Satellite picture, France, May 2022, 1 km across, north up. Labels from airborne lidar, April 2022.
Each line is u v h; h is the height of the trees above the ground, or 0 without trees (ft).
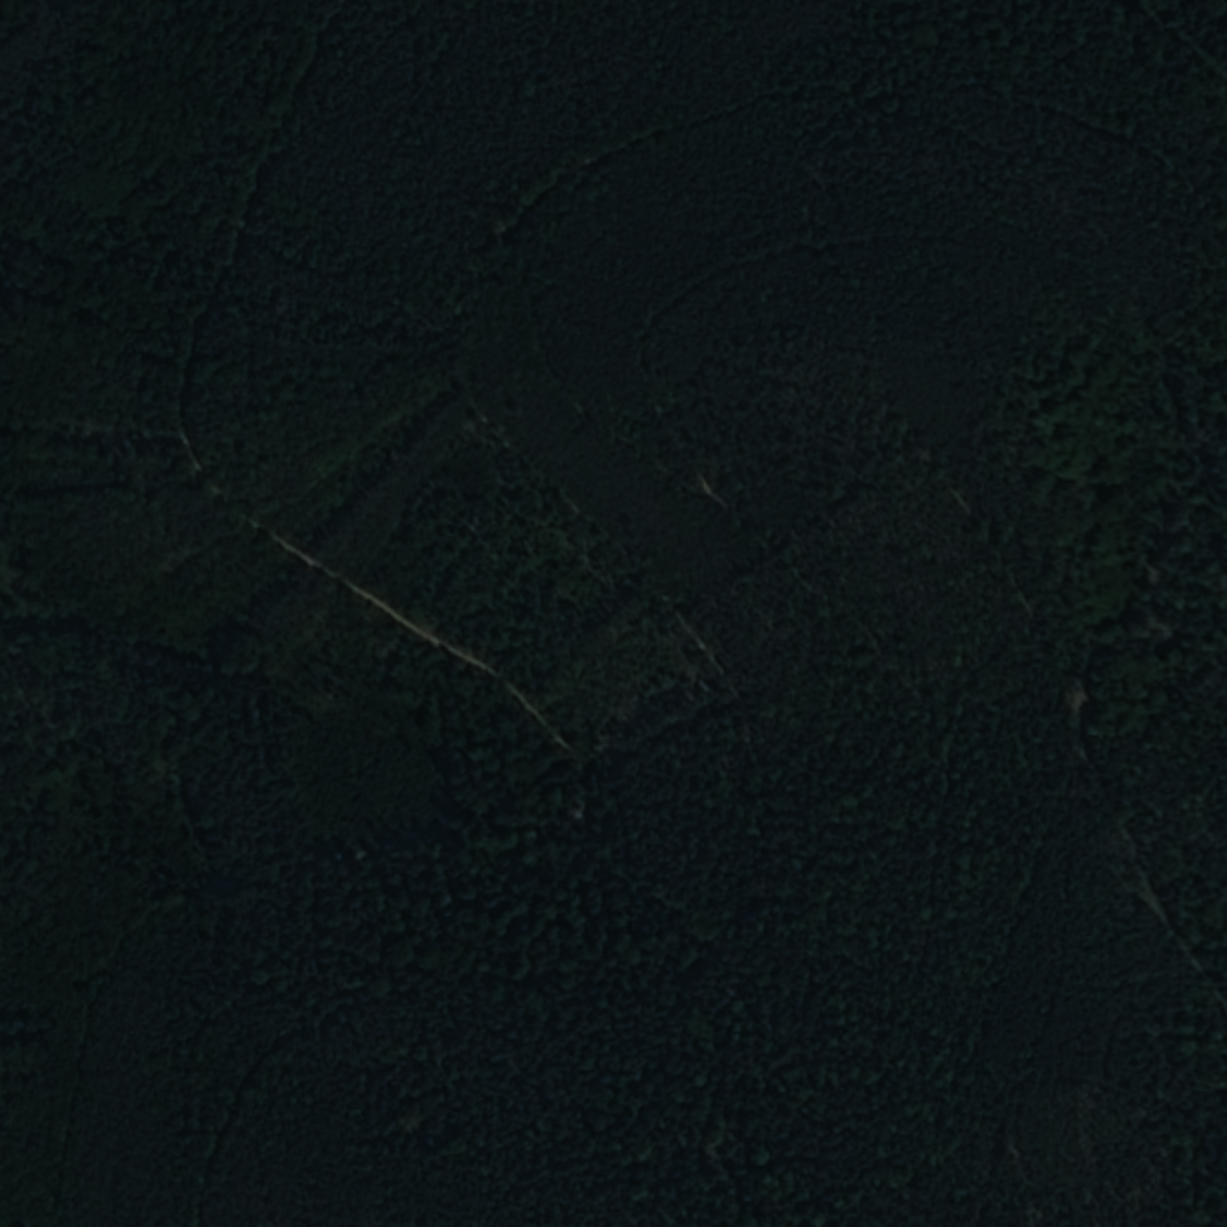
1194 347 57
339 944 96
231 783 111
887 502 68
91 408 81
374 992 99
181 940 65
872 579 73
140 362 83
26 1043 109
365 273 83
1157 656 95
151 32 115
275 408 73
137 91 120
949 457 49
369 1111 72
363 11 87
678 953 109
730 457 32
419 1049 96
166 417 77
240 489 75
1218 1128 91
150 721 123
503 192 77
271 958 98
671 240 48
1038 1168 52
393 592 21
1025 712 72
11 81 69
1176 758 66
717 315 46
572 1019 120
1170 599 53
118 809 61
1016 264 76
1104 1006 45
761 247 66
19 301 111
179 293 81
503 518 32
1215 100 83
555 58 75
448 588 75
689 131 57
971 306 61
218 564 45
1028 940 54
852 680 86
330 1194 65
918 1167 90
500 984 103
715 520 58
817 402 65
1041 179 83
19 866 109
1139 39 106
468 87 80
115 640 85
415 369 75
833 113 21
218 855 95
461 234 72
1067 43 97
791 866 95
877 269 64
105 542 75
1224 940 65
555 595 28
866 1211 83
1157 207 73
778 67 79
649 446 54
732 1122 98
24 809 52
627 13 66
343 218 85
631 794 75
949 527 63
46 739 93
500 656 62
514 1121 88
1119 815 65
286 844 99
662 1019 111
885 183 78
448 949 124
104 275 74
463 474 23
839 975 78
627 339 53
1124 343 69
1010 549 67
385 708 23
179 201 90
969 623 64
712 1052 92
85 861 62
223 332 64
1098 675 89
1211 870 98
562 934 118
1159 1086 94
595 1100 103
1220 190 81
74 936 74
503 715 69
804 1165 108
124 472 63
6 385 108
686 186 53
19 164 106
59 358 104
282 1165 72
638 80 75
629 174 62
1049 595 60
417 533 44
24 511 81
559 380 50
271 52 102
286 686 21
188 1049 84
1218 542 102
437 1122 75
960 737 64
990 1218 67
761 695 70
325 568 31
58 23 57
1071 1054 55
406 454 73
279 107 54
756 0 57
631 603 86
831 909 80
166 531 71
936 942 58
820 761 76
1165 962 86
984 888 39
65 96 85
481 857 30
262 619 94
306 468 64
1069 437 104
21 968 51
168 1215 57
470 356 50
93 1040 58
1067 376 105
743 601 86
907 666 68
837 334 54
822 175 78
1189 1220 70
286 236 91
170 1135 52
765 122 58
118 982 63
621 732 94
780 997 87
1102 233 61
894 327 45
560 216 61
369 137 77
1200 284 72
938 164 86
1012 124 69
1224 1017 80
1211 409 45
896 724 51
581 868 99
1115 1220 72
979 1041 66
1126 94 75
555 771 112
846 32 60
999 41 81
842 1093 86
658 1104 107
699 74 63
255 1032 93
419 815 22
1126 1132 51
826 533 71
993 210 74
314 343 72
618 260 44
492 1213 72
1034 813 69
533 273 50
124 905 54
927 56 84
